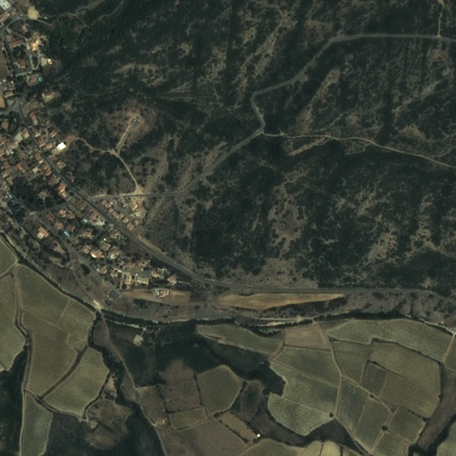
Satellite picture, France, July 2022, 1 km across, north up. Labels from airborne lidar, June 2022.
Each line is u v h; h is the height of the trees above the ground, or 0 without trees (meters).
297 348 0
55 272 0
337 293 0
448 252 0
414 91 0
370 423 0
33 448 0
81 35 10
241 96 0
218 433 0
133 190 0
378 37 0
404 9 0
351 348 0
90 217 0
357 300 0
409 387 0
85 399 0
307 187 0
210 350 6
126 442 8
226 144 0
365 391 0
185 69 0
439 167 0
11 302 0
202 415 0
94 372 0
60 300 0
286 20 0
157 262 8
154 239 0
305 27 0
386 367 0
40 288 0
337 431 0
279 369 0
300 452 0
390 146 0
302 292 0
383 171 0
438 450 0
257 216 0
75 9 0
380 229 0
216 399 0
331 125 0
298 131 0
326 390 0
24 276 0
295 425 0
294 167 0
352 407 0
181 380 0
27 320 0
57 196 7
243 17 0
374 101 0
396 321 0
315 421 0
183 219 0
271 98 0
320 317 9
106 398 7
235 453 0
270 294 0
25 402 0
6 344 0
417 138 0
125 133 0
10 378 7
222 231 0
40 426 0
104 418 0
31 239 5
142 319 7
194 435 0
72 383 0
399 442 0
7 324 0
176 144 0
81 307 0
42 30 10
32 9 0
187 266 0
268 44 0
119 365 10
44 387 0
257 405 0
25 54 9
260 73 0
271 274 0
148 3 7
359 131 0
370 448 0
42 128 6
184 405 0
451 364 0
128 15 6
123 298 0
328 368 0
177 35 0
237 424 0
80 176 10
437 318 0
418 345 0
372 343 0
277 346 0
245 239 0
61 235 15
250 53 0
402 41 0
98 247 5
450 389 0
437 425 0
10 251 0
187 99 0
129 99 0
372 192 0
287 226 0
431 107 0
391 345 0
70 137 0
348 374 0
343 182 0
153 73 0
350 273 0
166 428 0
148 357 0
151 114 0
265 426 0
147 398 0
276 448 0
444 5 0
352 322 0
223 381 0
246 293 0
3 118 12
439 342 0
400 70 0
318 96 0
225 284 0
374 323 0
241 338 0
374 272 0
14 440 0
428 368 0
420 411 0
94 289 0
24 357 6
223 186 0
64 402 0
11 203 12
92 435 0
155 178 0
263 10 0
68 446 0
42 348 0
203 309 0
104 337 0
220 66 0
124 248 8
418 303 0
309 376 0
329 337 0
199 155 0
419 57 0
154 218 0
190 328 5
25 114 0
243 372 6
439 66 0
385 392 0
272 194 0
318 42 0
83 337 0
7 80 8
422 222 0
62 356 0
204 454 0
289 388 0
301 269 0
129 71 0
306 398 0
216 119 0
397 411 0
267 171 0
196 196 8
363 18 0
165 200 0
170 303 0
